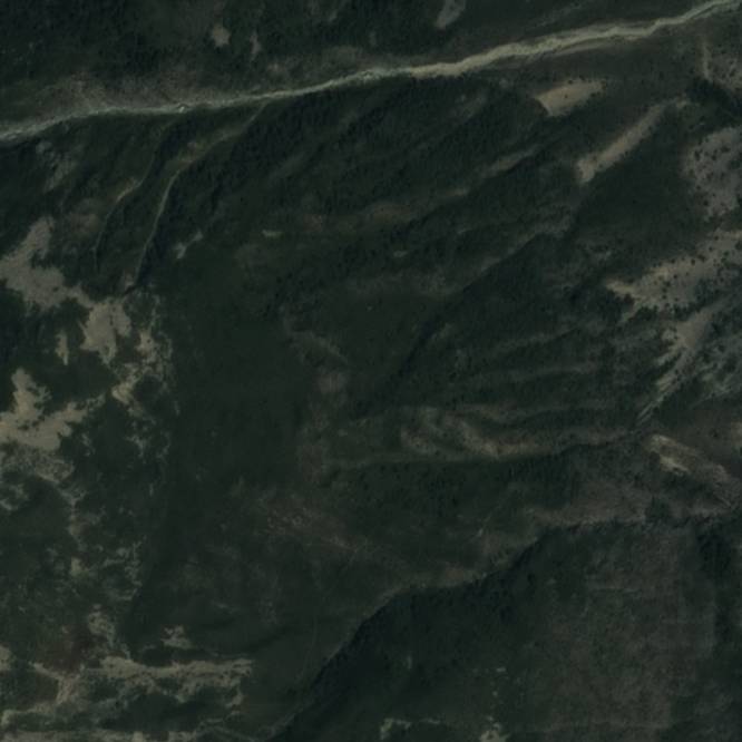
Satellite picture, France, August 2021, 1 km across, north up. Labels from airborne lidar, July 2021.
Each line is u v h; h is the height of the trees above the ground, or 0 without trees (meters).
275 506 0
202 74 0
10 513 0
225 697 0
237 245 0
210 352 0
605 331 6
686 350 0
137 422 0
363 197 6
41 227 0
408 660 0
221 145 0
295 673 0
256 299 0
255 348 0
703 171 0
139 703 0
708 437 0
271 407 0
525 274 6
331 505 0
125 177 0
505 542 0
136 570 0
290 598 0
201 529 0
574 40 0
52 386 0
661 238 0
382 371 0
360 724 0
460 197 0
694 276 0
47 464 0
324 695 0
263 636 0
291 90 0
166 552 0
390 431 0
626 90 0
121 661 0
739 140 0
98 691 0
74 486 0
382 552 0
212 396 0
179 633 0
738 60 0
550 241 7
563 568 7
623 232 0
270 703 0
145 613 0
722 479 0
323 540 0
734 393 0
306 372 0
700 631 0
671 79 0
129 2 6
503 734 0
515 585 0
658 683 0
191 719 0
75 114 0
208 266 0
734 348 0
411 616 0
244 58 8
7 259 0
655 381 7
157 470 0
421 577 0
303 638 0
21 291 0
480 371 7
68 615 0
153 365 0
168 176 0
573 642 0
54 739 0
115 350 0
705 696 0
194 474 0
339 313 0
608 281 0
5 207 0
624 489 0
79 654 0
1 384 0
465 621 0
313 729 0
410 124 7
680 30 0
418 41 8
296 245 0
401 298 0
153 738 0
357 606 0
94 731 0
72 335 0
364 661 0
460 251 12
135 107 0
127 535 0
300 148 6
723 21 0
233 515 0
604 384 9
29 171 0
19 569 0
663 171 0
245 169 6
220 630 0
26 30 6
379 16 7
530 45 0
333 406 0
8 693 0
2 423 0
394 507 0
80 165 0
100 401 0
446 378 0
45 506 0
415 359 8
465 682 0
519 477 6
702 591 0
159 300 0
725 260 6
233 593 0
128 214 8
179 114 0
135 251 0
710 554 20
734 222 0
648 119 0
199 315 0
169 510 0
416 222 9
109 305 0
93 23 8
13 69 0
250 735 0
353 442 0
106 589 0
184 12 0
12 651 0
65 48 0
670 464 0
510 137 8
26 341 0
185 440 0
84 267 0
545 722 0
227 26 7
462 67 0
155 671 0
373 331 0
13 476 0
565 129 0
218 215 0
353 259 6
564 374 6
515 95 6
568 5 0
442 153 6
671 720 0
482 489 0
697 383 6
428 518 0
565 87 0
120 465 0
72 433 0
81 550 0
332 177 0
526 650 0
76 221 0
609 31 0
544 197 7
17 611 0
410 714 0
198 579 0
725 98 7
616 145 0
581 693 0
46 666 0
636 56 0
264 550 0
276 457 0
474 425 0
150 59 7
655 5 0
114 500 0
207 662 0
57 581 0
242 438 0
